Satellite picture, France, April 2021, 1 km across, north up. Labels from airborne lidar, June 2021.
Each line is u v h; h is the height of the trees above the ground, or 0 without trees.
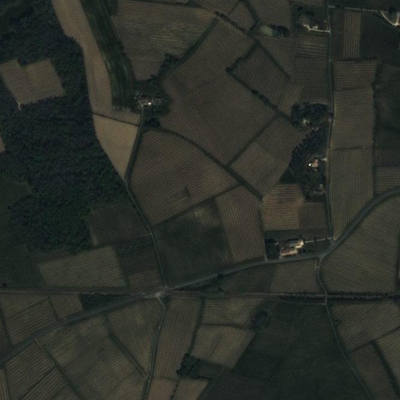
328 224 0
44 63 0
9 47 19
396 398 0
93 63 0
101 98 0
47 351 0
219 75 0
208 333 0
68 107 18
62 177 20
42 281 0
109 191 17
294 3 0
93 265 0
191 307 0
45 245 16
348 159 0
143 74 0
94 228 0
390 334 0
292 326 0
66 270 0
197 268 0
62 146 26
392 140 0
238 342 0
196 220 0
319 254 0
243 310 0
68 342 0
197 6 0
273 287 0
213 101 0
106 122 0
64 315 0
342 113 0
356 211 0
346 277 0
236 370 0
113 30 0
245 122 0
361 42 0
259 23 0
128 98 0
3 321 0
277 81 0
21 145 21
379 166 0
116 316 0
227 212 0
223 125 0
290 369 0
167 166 0
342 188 0
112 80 0
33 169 16
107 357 0
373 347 0
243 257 0
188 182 0
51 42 17
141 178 0
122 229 0
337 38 0
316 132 13
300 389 0
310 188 0
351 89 0
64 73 16
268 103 17
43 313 0
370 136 0
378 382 0
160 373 0
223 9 0
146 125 9
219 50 0
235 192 0
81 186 24
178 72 0
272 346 0
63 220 20
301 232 0
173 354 0
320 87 0
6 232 0
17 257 0
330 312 0
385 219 0
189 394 0
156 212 0
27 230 13
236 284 0
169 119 0
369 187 0
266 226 0
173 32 0
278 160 0
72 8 0
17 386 0
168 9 0
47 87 0
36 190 18
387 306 0
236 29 10
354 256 0
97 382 0
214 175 0
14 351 0
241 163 0
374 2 0
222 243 0
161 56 0
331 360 0
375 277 0
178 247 0
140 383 0
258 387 0
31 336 0
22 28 23
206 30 0
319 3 0
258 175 0
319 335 0
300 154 21
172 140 0
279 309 0
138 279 0
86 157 16
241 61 10
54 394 0
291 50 0
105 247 0
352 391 0
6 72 0
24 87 0
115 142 0
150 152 0
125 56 13
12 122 16
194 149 0
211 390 0
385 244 0
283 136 0
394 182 0
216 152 0
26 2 0
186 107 0
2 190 0
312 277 0
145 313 0
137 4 0
